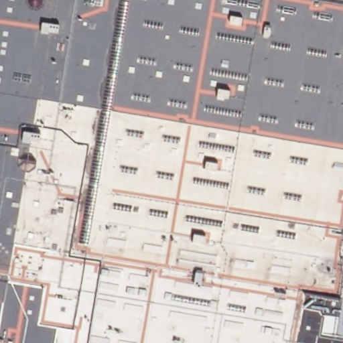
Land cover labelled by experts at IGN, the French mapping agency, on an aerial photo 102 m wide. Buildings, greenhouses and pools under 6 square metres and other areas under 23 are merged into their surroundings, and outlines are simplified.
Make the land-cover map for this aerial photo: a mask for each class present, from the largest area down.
<instances>
[{"label":"building","instance_id":"1","mask_svg":"<svg viewBox=\"0 0 343 343\"><path fill-rule=\"evenodd\" d=\"M0 343H343V0H0Z\"/></svg>","mask_w":343,"mask_h":343}]
</instances>
